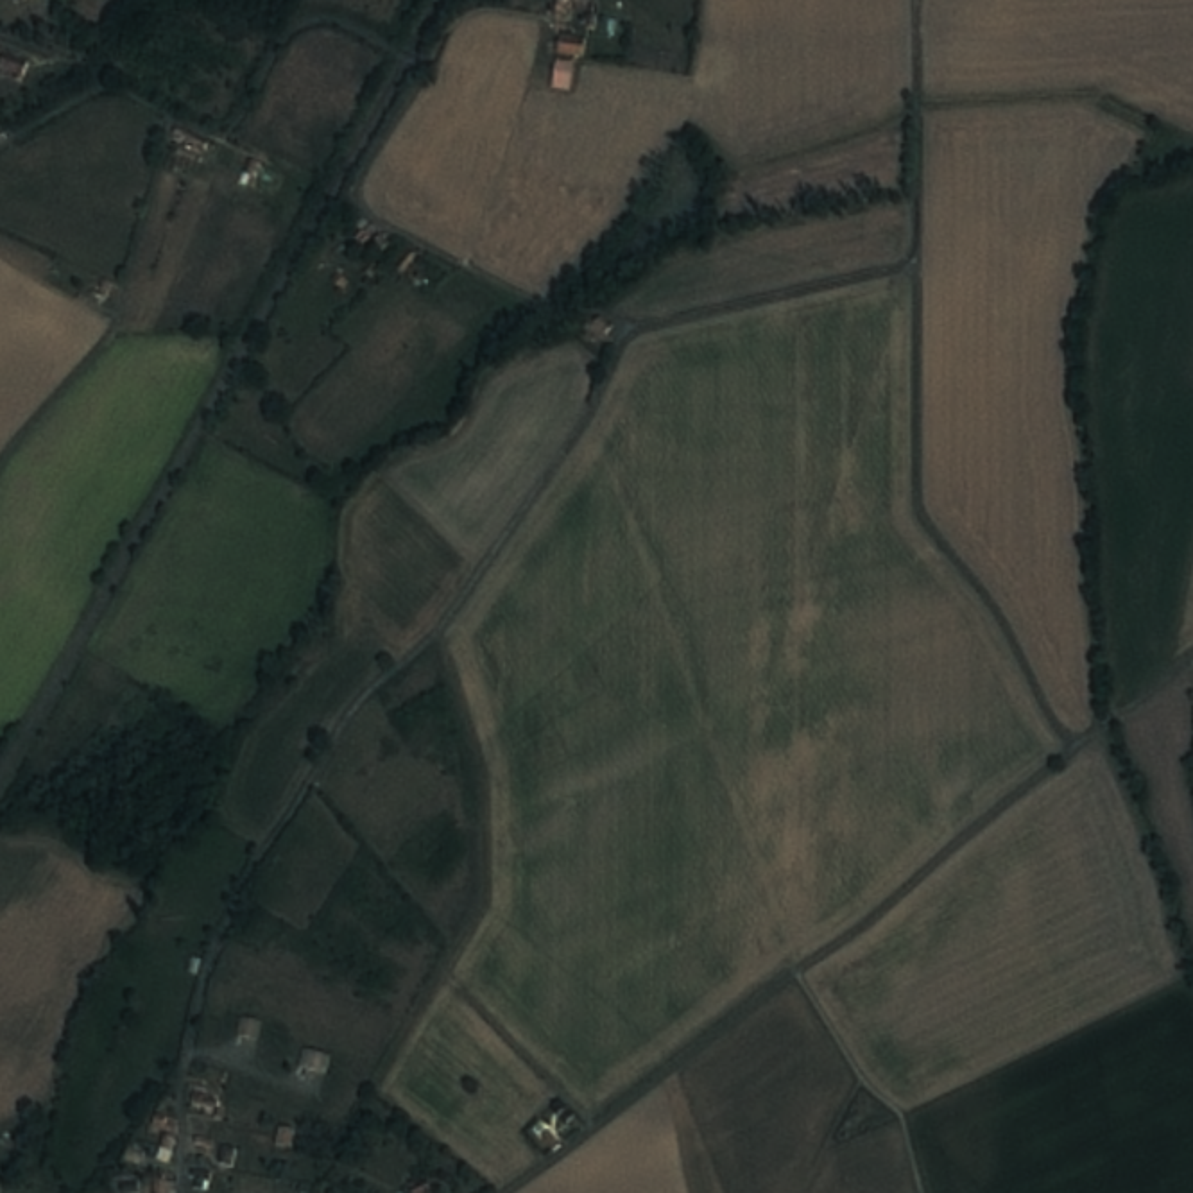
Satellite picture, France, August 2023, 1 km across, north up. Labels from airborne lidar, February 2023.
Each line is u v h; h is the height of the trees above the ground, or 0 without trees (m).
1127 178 14
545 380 0
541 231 0
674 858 0
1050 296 0
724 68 0
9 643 0
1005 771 0
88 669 0
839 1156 0
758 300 0
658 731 0
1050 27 0
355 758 0
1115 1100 0
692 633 0
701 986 0
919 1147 0
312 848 0
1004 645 0
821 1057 0
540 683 0
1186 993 0
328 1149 11
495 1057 0
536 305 0
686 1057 0
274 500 0
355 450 0
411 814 0
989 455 0
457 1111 0
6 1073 0
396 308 0
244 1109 0
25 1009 0
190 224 0
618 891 0
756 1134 0
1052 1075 0
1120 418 0
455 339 0
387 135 0
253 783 0
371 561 0
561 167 0
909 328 0
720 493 0
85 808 19
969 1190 0
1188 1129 0
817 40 0
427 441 17
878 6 0
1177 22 0
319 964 0
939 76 0
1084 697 0
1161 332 0
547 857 0
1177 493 0
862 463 0
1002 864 0
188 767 6
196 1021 8
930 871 0
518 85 0
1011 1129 0
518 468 0
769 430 0
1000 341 0
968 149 0
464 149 0
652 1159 0
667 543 0
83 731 0
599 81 0
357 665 0
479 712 0
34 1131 21
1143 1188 0
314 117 0
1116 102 0
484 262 0
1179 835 0
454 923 0
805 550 0
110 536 0
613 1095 0
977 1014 0
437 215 0
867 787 0
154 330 0
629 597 0
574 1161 0
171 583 0
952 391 0
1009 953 0
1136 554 0
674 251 14
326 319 8
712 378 0
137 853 16
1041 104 0
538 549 0
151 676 0
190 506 0
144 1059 0
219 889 0
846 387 0
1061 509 0
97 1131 0
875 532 0
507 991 0
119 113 0
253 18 20
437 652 0
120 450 0
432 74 17
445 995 0
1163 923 0
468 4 9
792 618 0
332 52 0
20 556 0
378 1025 0
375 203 0
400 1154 0
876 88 0
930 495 0
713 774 0
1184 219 0
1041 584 0
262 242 0
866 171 0
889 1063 0
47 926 0
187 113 14
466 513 0
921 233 0
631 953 0
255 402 0
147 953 0
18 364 0
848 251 0
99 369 0
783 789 0
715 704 0
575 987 0
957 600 0
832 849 0
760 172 0
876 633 0
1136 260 0
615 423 0
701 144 16
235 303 0
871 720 0
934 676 0
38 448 0
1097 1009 0
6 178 0
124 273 12
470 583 0
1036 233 0
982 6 0
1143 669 0
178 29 9
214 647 0
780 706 0
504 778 0
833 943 0
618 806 0
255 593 0
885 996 0
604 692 0
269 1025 0
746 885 0
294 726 0
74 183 0
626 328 0
